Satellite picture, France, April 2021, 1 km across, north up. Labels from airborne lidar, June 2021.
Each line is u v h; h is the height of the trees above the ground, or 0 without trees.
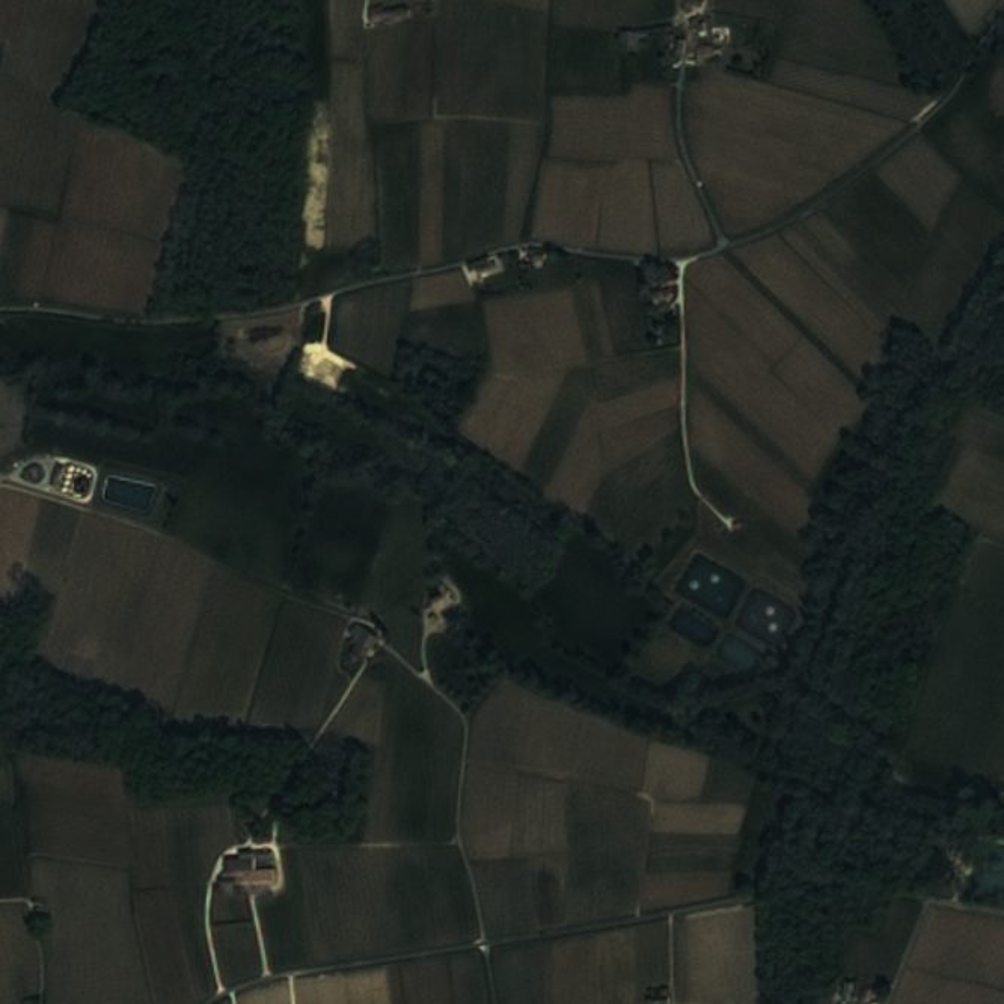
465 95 0
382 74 0
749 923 0
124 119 19
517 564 21
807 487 0
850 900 20
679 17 0
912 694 21
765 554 0
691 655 0
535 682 25
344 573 0
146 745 24
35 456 0
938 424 25
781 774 10
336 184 0
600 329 0
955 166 0
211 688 0
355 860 0
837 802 17
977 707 0
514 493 6
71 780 0
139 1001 0
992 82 0
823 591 25
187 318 14
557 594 0
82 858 0
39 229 0
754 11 0
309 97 24
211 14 20
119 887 0
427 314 0
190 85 24
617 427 0
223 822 0
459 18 0
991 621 0
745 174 0
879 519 35
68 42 0
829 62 0
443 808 0
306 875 0
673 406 0
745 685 19
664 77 6
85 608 0
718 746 20
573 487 0
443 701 0
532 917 0
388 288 0
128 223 0
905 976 0
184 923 0
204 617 0
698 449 0
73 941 0
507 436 0
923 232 0
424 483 10
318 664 0
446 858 0
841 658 23
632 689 14
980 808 38
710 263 0
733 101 0
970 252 0
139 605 0
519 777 0
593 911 0
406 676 0
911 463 25
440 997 0
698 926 0
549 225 0
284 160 20
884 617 19
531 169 0
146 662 0
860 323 0
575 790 0
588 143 0
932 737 0
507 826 0
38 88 0
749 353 0
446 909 0
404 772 0
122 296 0
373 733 0
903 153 0
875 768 34
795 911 22
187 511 0
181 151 19
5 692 21
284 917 0
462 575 0
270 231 18
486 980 0
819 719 13
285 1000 0
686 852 0
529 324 0
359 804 19
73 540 0
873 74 0
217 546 0
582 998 0
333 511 0
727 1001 0
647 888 0
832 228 0
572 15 0
